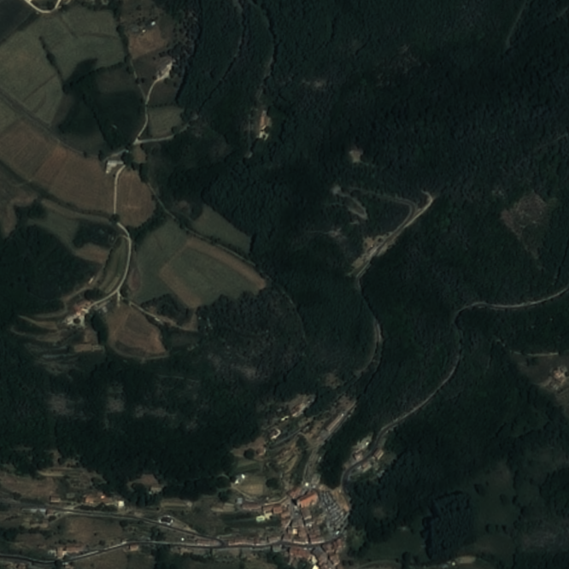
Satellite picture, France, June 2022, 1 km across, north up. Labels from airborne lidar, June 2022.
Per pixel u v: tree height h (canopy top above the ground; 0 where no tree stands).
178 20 9
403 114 15
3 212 0
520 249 13
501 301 12
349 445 15
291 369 16
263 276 15
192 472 16
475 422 15
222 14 25
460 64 29
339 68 16
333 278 13
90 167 0
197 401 6
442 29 13
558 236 15
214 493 13
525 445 30
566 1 18
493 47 12
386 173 12
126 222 0
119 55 0
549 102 16
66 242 0
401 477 33
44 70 0
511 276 17
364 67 25
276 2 30
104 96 0
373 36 20
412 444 22
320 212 13
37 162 0
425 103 16
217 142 6
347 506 0
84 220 0
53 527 0
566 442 10
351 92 10
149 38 0
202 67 28
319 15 31
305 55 29
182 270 0
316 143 12
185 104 23
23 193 0
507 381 11
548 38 16
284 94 28
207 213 0
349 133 23
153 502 17
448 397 16
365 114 20
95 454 15
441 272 19
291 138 31
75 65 0
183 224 8
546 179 15
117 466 15
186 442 17
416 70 14
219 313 13
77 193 0
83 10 0
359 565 0
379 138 19
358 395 11
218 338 8
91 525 0
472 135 17
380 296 20
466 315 20
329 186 18
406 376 19
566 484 15
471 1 10
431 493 18
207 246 0
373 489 32
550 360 0
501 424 14
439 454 25
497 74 18
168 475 19
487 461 18
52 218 0
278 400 9
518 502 11
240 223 26
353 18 15
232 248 7
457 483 22
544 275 15
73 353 11
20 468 15
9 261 6
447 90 25
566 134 8
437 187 13
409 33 18
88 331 0
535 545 0
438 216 10
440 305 18
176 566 8
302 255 15
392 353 16
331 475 13
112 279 0
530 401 15
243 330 7
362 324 22
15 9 0
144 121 0
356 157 0
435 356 9
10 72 0
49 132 0
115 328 0
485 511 0
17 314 7
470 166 8
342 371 7
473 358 6
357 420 11
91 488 9
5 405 9
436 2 20
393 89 18
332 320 22
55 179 0
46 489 0
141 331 0
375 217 8
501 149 16
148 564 0
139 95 0
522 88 7
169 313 11
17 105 0
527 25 13
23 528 7
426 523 14
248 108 12
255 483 0
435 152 18
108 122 7
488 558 8
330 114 17
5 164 0
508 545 0
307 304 12
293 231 11
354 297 19
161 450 18
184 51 15
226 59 27
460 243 9
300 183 18
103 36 0
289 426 7
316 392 24
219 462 20
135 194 0
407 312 17
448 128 16
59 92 0
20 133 0
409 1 22
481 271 14
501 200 11
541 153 10
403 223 0
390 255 14
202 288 0
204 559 8
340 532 7
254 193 30
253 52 23
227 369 6
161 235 0
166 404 11
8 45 0
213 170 21
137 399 9
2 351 8
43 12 0
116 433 11
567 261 14
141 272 0
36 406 13
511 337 7
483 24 15
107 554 0
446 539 34
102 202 0
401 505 9
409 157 21
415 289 15
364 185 9
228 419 12
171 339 0
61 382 11
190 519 0
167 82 10
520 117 18
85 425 17
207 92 26
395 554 0
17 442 11
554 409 22
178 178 11
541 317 11
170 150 11
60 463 15
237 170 31
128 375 17
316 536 0
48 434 15
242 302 9
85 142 0
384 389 33
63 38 0
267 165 22
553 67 14
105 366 11
